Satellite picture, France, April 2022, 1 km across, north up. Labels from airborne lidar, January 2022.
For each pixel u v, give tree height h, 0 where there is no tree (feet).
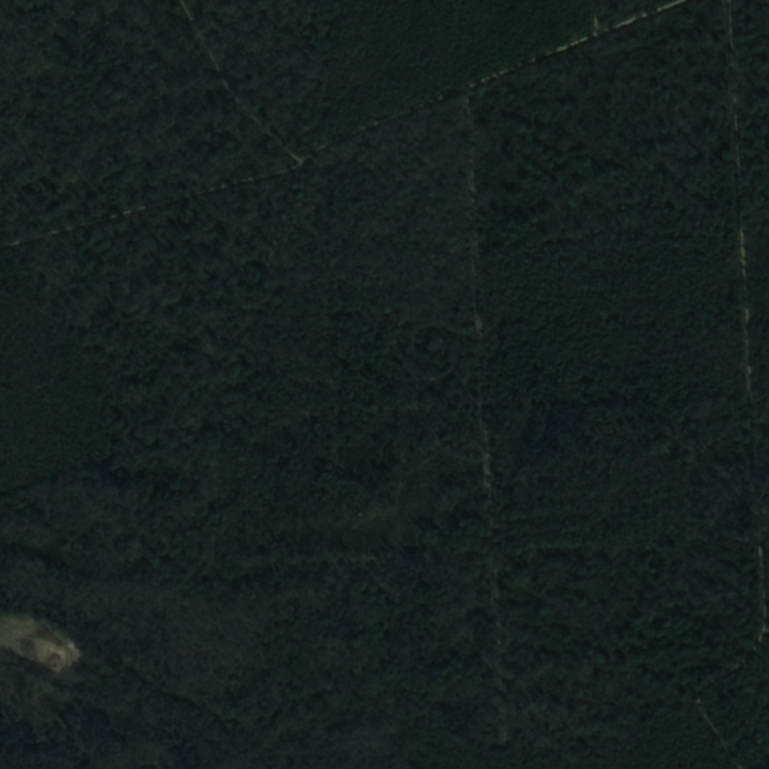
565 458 68
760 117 89
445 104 83
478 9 60
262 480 66
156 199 102
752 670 59
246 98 111
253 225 113
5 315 51
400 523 0
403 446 68
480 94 86
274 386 94
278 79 111
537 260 50
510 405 91
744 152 75
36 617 50
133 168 103
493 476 74
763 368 33
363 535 0
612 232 80
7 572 94
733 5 85
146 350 94
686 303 69
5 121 72
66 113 93
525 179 84
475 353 75
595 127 105
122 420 93
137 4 116
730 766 51
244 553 74
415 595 75
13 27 84
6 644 0
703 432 85
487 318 70
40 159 110
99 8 126
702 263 63
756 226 62
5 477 86
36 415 57
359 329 81
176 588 92
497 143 102
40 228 98
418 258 86
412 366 85
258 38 112
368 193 93
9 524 89
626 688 62
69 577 93
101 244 95
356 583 84
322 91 70
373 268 95
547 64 22
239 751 92
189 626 79
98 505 88
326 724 29
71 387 57
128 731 26
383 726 94
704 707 39
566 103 87
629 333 67
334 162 59
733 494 83
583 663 94
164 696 84
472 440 87
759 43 90
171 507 97
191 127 106
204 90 118
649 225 93
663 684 83
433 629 59
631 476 65
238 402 93
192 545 96
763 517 73
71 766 88
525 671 96
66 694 83
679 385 60
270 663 84
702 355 71
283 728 87
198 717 83
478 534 90
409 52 56
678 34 20
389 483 78
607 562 102
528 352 70
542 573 87
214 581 83
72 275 86
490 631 30
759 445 81
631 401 44
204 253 95
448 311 82
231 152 122
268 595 86
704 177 93
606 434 77
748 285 82
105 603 90
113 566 90
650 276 68
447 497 89
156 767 0
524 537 73
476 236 91
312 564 90
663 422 92
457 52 52
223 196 118
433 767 59
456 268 91
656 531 61
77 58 114
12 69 94
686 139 96
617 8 82
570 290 59
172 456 95
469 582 89
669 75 102
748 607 91
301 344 88
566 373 71
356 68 57
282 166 89
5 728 64
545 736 98
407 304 94
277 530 69
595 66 119
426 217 85
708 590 94
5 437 44
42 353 53
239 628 78
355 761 98
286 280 91
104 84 110
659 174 83
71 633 75
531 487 75
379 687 94
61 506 89
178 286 115
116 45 126
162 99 98
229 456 84
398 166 92
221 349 109
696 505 74
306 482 69
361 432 76
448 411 72
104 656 96
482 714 72
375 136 71
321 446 81
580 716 102
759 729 22
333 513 80
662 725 52
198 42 105
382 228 100
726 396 94
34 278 79
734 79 91
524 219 84
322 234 94
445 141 86
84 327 47
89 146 115
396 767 94
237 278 102
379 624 81
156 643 85
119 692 94
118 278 24
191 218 62
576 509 78
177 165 111
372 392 86
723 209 86
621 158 64
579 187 101
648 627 92
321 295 88
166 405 73
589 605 75
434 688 98
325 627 81
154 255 93
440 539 77
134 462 84
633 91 108
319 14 100
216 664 86
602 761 52
